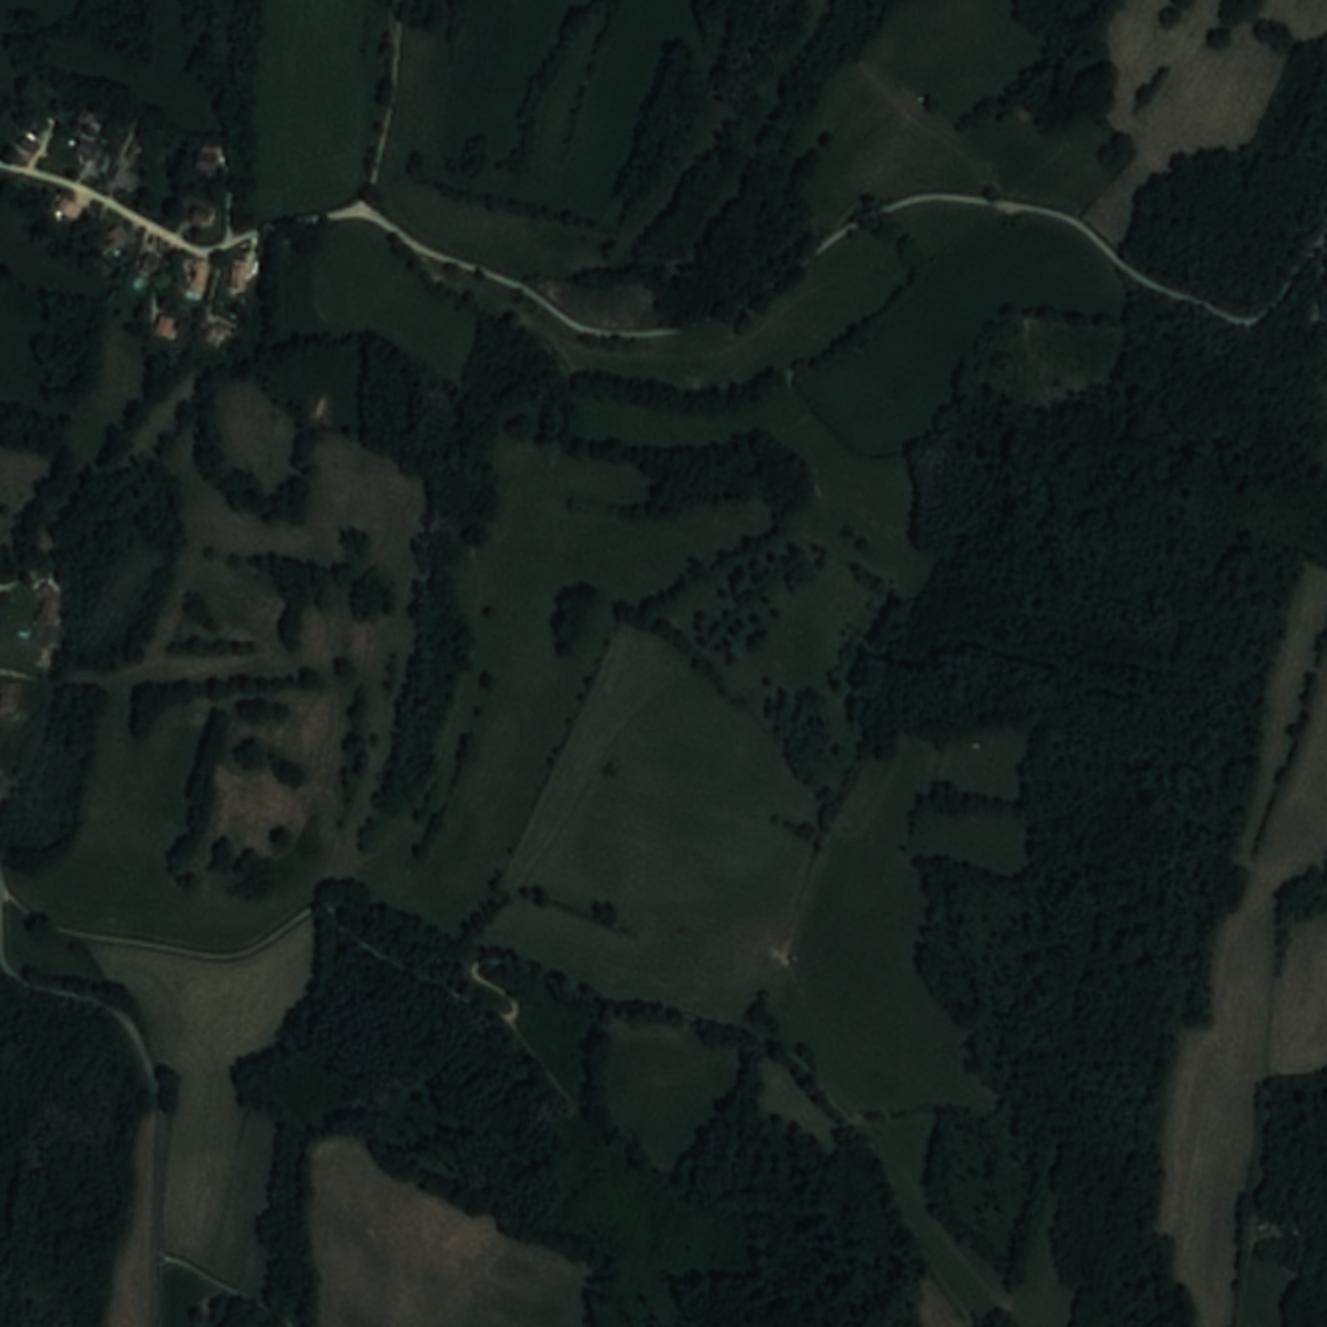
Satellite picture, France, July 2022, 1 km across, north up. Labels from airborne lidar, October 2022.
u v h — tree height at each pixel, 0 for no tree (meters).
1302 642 0
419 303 0
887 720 20
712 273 27
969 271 0
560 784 0
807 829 10
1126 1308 22
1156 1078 14
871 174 0
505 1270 0
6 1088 12
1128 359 14
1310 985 0
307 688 9
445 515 26
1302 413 19
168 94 0
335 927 17
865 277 0
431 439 23
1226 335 17
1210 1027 12
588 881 0
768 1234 27
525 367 8
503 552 0
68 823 9
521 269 0
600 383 22
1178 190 18
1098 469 9
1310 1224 11
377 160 10
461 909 0
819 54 22
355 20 0
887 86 0
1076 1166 15
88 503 20
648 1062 0
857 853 0
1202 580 6
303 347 16
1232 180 17
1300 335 15
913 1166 0
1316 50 10
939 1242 0
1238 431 18
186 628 0
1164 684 19
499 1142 24
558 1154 25
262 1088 16
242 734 0
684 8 0
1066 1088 11
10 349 0
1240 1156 0
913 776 0
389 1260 0
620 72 0
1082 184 0
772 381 18
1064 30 21
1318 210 18
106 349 18
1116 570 16
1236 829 18
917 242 12
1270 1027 0
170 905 0
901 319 0
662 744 0
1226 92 0
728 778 0
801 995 0
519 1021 0
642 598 0
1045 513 20
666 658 0
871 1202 5
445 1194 16
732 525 0
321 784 0
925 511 22
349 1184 0
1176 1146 0
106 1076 7
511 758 0
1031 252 0
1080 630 11
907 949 0
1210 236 21
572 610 22
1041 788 17
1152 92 15
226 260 16
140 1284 0
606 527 0
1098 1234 25
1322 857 0
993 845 0
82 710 13
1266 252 17
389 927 20
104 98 13
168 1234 0
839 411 0
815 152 10
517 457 0
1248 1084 0
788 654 0
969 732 11
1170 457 27
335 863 0
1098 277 0
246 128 20
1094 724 20
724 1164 27
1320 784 0
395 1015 24
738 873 0
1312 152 12
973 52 0
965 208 0
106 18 8
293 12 0
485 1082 27
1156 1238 12
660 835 0
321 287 0
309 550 0
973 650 21
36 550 20
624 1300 0
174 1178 0
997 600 7
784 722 13
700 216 9
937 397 0
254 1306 11
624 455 14
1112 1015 17
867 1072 0
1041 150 0
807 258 22
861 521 0
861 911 0
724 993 0
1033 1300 0
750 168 12
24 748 0
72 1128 20
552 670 0
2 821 11
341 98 0
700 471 18
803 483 22
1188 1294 16
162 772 0
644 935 0
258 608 0
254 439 0
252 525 0
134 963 0
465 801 0
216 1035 0
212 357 0
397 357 19
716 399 20
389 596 13
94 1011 8
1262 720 15
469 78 0
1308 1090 9
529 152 7
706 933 0
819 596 0
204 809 13
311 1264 13
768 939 0
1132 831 24
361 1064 26
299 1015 12
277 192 0
